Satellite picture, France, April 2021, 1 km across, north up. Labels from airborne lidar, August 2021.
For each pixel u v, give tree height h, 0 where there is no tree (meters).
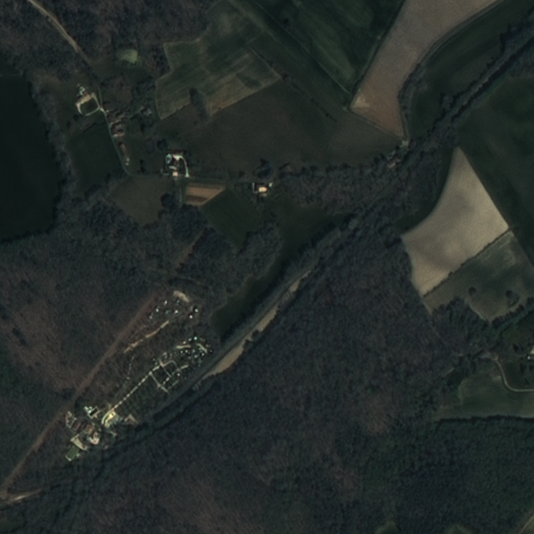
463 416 0
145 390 14
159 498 17
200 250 22
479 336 23
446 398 23
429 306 0
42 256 20
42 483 22
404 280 19
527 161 0
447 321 22
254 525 20
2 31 16
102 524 19
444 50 0
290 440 15
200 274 27
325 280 16
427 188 24
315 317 16
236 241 0
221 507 17
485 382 0
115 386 22
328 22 0
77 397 0
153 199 0
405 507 30
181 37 16
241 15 0
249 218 0
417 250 0
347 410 20
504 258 0
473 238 0
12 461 23
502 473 23
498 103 0
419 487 25
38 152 0
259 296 0
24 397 25
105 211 13
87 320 19
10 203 0
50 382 18
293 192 20
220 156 0
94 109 0
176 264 23
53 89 0
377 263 23
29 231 0
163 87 0
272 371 19
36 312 18
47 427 17
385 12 0
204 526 17
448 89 0
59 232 22
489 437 22
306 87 0
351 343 20
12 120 0
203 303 22
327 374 14
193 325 18
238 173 0
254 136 0
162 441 16
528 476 23
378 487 26
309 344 20
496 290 0
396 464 27
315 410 21
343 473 8
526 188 0
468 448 19
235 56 0
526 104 0
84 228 12
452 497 24
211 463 17
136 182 0
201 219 23
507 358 23
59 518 18
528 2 0
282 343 15
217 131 0
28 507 19
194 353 11
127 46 11
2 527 0
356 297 24
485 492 23
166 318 14
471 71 0
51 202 0
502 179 0
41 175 0
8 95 0
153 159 0
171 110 0
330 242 20
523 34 20
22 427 22
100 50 13
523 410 0
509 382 0
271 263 22
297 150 0
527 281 0
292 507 19
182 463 18
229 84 0
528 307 11
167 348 21
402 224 0
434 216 0
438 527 22
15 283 17
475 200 0
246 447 15
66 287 19
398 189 10
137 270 23
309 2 0
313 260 14
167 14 21
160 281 20
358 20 0
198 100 22
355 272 22
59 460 22
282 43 0
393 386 17
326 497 16
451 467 17
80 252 22
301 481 17
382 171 17
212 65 0
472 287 0
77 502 13
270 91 0
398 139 0
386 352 14
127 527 17
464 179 0
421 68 17
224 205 0
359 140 0
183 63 0
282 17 0
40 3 17
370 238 21
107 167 0
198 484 19
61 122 0
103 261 21
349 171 18
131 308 18
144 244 21
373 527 26
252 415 18
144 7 22
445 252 0
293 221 0
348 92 0
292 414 15
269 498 20
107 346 14
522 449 21
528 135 0
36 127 0
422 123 0
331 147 0
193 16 21
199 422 19
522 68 17
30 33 18
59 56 21
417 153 7
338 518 15
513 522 22
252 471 19
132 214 0
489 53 0
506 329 20
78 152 0
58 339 18
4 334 18
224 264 25
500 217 0
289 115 0
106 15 8
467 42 0
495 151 0
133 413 13
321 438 17
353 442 14
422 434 20
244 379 17
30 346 19
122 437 17
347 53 0
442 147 14
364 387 21
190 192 0
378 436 16
